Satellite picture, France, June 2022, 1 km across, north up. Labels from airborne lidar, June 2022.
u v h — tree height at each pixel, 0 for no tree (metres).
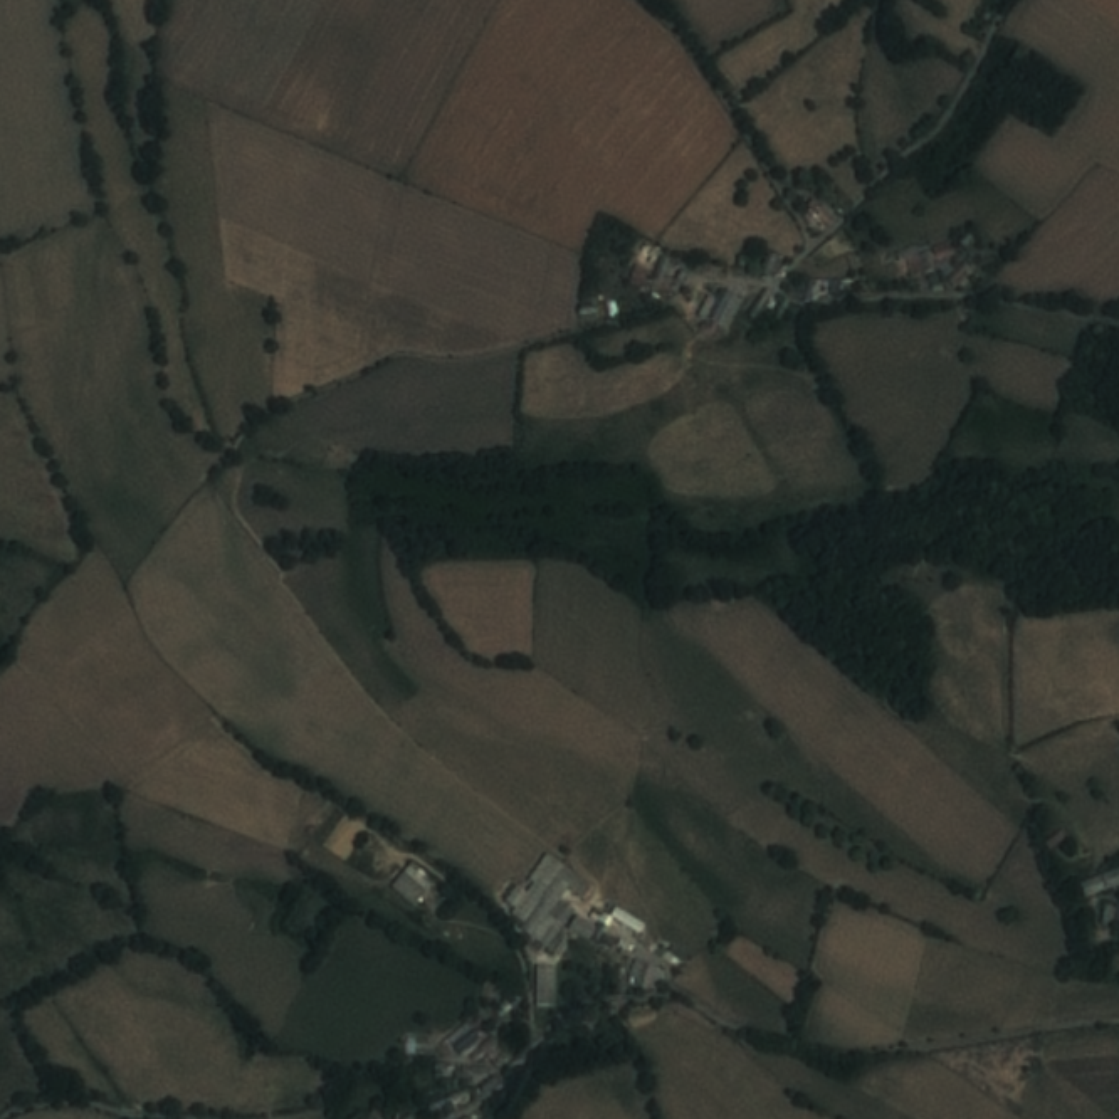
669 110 0
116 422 0
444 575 0
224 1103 0
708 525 0
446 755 0
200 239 0
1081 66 0
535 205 0
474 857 0
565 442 0
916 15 0
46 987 20
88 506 0
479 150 0
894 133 0
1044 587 20
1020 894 0
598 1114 0
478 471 21
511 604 0
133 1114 0
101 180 14
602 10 0
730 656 0
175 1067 0
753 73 0
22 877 0
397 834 14
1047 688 0
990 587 0
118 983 0
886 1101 0
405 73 0
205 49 0
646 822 0
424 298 0
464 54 0
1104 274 0
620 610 0
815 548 20
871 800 0
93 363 0
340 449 0
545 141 0
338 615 0
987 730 0
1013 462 0
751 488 0
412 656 0
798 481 0
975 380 12
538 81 0
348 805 11
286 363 0
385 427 0
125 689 0
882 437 0
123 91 21
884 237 14
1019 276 0
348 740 0
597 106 0
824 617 18
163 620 0
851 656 12
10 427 0
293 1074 0
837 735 0
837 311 15
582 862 0
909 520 20
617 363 8
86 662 0
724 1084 0
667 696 0
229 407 0
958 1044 0
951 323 0
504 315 0
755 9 0
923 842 0
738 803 0
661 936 0
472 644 0
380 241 0
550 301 0
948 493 16
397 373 0
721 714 0
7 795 0
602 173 0
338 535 19
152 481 0
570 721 0
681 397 0
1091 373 18
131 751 0
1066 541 11
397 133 0
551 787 0
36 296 0
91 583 0
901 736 0
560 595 0
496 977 9
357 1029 0
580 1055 18
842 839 11
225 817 0
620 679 0
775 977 0
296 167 0
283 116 0
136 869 16
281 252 0
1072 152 0
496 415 0
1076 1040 0
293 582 0
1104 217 0
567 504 0
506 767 0
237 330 0
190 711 0
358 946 0
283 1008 0
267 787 0
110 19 10
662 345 7
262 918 0
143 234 0
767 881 0
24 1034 15
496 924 14
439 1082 7
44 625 0
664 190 0
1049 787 0
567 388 0
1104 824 0
